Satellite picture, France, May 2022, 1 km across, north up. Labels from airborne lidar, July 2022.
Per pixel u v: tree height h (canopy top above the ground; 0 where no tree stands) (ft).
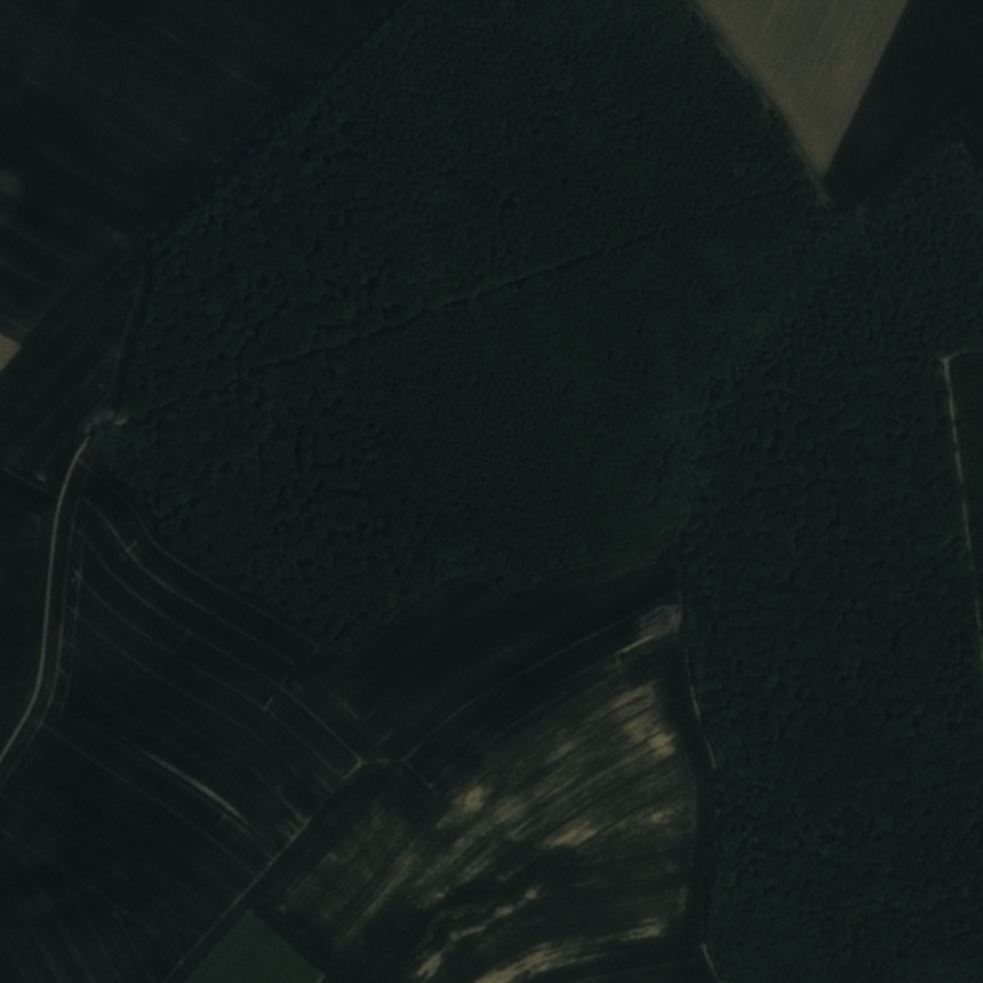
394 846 0
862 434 98
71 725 0
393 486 54
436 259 87
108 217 0
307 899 0
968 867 88
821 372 81
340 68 51
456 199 80
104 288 0
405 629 0
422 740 0
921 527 83
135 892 0
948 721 34
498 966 0
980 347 59
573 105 64
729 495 87
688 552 46
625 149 67
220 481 97
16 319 0
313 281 90
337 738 0
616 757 0
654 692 0
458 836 0
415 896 0
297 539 104
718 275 71
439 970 0
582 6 70
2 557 0
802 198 53
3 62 0
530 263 79
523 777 0
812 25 0
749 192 70
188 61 0
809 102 0
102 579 0
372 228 94
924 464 89
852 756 83
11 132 0
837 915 83
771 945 60
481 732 0
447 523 58
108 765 0
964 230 75
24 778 0
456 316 57
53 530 0
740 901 58
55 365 0
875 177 0
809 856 98
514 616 0
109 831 0
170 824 0
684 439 83
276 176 103
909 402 103
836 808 87
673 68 65
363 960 0
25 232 0
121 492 0
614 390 62
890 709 93
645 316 65
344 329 76
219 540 86
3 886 0
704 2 0
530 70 66
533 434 59
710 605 89
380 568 95
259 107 0
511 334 47
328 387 95
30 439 0
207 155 0
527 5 71
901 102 0
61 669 0
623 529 60
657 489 67
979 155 0
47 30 0
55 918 0
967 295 66
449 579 49
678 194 63
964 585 93
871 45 0
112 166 0
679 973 0
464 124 63
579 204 81
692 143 64
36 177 0
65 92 0
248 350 103
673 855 0
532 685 0
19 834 0
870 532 97
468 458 55
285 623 0
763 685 90
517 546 52
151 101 0
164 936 0
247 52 0
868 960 72
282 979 0
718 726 77
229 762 0
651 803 0
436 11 65
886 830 69
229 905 0
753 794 73
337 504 103
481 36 62
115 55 0
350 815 0
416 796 0
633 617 0
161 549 0
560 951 0
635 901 0
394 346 68
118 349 0
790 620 115
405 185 68
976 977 57
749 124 63
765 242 68
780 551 95
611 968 0
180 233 64
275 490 97
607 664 0
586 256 41
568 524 49
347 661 0
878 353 66
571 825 0
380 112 64
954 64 0
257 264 97
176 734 0
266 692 0
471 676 0
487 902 0
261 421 98
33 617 0
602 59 61
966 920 82
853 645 96
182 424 90
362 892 0
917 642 100
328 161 85
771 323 87
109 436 66
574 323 60
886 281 72
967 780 96
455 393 56
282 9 0
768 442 90
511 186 95
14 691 0
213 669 0
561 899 0
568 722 0
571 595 0
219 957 0
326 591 96
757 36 0
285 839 0
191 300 96
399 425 60
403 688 0
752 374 89
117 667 0
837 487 95
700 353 88
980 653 34
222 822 0
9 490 0
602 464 61
